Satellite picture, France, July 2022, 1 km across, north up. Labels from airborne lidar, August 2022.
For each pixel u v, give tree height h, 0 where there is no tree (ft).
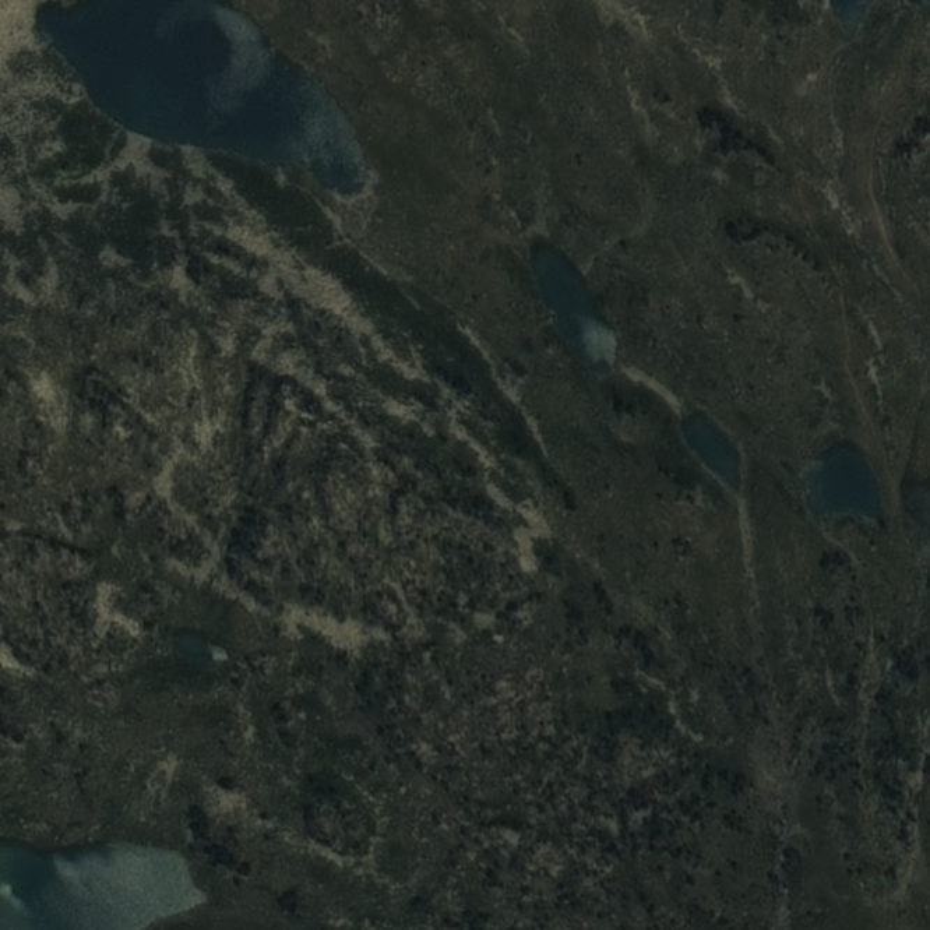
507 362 0
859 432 0
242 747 0
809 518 0
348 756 0
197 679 0
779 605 0
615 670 0
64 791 0
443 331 0
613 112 0
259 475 0
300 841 0
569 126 0
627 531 0
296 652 0
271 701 0
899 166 0
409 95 0
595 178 0
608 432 0
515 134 0
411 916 0
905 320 0
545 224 0
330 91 0
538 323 0
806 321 0
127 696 0
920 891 0
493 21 0
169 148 0
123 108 0
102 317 0
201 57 0
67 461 0
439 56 0
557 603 0
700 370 0
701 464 0
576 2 0
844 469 0
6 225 0
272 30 0
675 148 0
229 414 0
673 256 0
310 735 0
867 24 0
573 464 0
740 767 0
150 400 0
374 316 0
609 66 0
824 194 0
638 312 0
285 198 0
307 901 0
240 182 0
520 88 0
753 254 0
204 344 0
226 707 0
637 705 0
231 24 0
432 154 0
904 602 0
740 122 0
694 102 0
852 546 0
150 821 0
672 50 0
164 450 0
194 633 0
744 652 0
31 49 0
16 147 0
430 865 0
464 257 0
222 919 0
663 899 0
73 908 0
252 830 0
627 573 0
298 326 0
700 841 0
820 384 0
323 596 33
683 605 26
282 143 0
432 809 0
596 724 0
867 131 0
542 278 0
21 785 0
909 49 0
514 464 0
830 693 0
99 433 0
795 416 0
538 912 27
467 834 32
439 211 0
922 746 0
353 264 0
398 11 0
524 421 0
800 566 0
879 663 0
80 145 0
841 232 0
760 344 0
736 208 0
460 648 0
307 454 0
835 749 23
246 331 0
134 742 0
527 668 0
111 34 0
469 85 0
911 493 0
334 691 0
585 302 0
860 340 0
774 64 0
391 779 0
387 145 0
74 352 0
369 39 0
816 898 0
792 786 0
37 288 0
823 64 0
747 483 0
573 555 0
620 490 0
